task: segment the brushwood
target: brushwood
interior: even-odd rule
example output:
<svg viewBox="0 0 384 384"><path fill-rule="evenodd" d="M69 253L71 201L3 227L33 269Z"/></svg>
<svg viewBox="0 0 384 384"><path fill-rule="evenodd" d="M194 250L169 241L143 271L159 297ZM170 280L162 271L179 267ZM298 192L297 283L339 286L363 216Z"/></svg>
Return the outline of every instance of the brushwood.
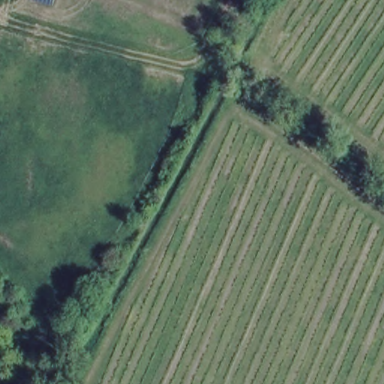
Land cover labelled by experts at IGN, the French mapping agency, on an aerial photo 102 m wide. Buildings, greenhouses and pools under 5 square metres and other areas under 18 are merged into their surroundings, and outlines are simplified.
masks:
<svg viewBox="0 0 384 384"><path fill-rule="evenodd" d="M163 204L169 187L174 183L199 130L204 126L219 96L219 85L219 82L211 82L202 103L199 120L193 120L190 115L178 126L184 132L184 139L178 139L172 145L169 156L163 163L163 169L159 172L159 187L153 192L145 193L148 205L142 210L147 214L145 219L151 222Z"/></svg>

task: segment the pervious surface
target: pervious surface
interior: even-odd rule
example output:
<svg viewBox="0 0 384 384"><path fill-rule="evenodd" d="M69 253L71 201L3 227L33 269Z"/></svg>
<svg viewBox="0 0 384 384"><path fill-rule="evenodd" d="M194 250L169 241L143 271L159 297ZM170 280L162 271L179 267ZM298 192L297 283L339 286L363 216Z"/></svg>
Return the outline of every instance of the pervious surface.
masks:
<svg viewBox="0 0 384 384"><path fill-rule="evenodd" d="M133 15L145 13L162 24L168 24L171 15L157 12L135 0L0 0L0 24L7 25L9 19L21 22L9 16L10 13L16 12L31 18L63 24L64 21L70 21L73 16L84 12L85 7L90 6L93 1L99 1L102 3L103 12L114 19L129 22Z"/></svg>
<svg viewBox="0 0 384 384"><path fill-rule="evenodd" d="M204 64L204 57L199 54L190 60L178 60L126 48L123 58L141 61L145 75L157 78L181 82L186 66L198 69Z"/></svg>

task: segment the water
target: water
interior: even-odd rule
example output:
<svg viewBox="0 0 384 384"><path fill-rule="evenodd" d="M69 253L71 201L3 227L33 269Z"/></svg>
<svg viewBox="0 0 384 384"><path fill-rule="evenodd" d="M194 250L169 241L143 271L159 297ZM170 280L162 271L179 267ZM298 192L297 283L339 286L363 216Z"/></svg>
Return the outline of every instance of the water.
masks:
<svg viewBox="0 0 384 384"><path fill-rule="evenodd" d="M61 342L55 333L18 331L22 336L28 336L33 340L55 343Z"/></svg>
<svg viewBox="0 0 384 384"><path fill-rule="evenodd" d="M138 264L142 250L147 246L157 223L162 219L226 96L228 84L219 85L219 96L204 126L199 130L174 183L169 187L163 204L151 222L112 297L111 301L117 303L120 298L130 274Z"/></svg>

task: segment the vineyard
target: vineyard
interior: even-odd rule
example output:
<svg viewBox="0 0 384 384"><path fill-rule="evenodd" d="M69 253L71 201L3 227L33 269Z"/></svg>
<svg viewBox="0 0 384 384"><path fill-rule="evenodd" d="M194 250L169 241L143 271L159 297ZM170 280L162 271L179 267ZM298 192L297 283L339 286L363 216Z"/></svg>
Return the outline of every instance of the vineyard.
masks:
<svg viewBox="0 0 384 384"><path fill-rule="evenodd" d="M294 147L289 145L285 138L277 135L274 138L265 138L264 133L258 132L255 127L244 121L235 120L231 109L225 112L219 129L214 133L214 138L208 144L204 157L187 186L186 193L169 217L144 267L139 271L138 279L133 283L117 321L112 325L108 336L103 337L105 342L102 349L82 384L384 384L384 216L373 208L373 205L361 202L349 189L348 184L337 177L336 169L331 168L330 163L327 162L327 157L322 156L313 147L307 147L303 141L298 141L298 145Z"/></svg>
<svg viewBox="0 0 384 384"><path fill-rule="evenodd" d="M294 33L291 42L286 45L286 49L292 48L292 52L283 64L282 72L288 72L295 58L303 58L306 64L295 79L313 91L318 91L313 105L318 106L324 120L333 112L337 112L337 120L345 124L351 133L360 121L360 124L366 126L364 135L375 135L384 139L384 0L298 0L301 1L300 7L297 10L294 7L289 9L285 19L285 31L277 36L277 42L280 43L283 37Z"/></svg>

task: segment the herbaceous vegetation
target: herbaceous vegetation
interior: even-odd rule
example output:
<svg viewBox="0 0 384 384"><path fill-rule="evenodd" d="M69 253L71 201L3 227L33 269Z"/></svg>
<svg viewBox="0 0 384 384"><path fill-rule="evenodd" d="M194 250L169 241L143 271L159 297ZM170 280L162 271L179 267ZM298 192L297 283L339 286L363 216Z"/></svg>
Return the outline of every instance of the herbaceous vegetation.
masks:
<svg viewBox="0 0 384 384"><path fill-rule="evenodd" d="M43 354L48 357L54 355L55 343L33 340L28 336L22 336L18 331L13 333L13 345L31 361L40 360Z"/></svg>
<svg viewBox="0 0 384 384"><path fill-rule="evenodd" d="M384 205L378 196L367 195L364 192L363 162L349 168L346 168L339 159L330 163L331 168L336 169L337 177L348 184L349 189L361 202L373 205L373 208L384 216Z"/></svg>
<svg viewBox="0 0 384 384"><path fill-rule="evenodd" d="M162 219L157 223L147 246L142 250L138 264L130 274L120 298L117 303L111 301L111 310L105 312L97 325L97 330L82 348L87 358L76 384L82 384L102 349L105 342L103 337L108 336L112 325L117 321L133 283L138 279L139 271L144 267L169 217L186 193L187 186L204 157L208 144L214 138L214 133L219 129L225 112L231 109L235 120L244 121L255 127L258 132L264 133L265 138L274 138L277 135L285 138L289 145L294 147L298 145L298 141L303 141L307 147L313 147L321 136L327 133L331 121L337 120L337 112L333 112L324 120L318 106L313 105L318 91L313 91L295 79L306 64L303 58L295 58L288 72L282 72L283 64L292 52L292 48L286 49L286 45L291 42L294 33L283 37L280 43L277 42L277 36L285 31L285 19L289 9L294 7L297 10L300 7L301 1L298 0L288 0L286 6L273 18L261 15L261 21L253 21L252 36L244 42L240 61L253 67L255 72L264 73L273 87L282 85L295 94L297 105L303 105L309 112L304 115L304 126L301 127L300 133L289 133L286 126L280 124L274 115L268 114L267 108L261 105L256 97L246 99L243 88L237 100L226 96Z"/></svg>
<svg viewBox="0 0 384 384"><path fill-rule="evenodd" d="M163 169L163 163L169 156L172 145L178 139L184 139L184 132L178 126L190 115L193 120L199 120L202 103L211 82L219 82L219 85L228 84L228 73L223 69L223 60L211 49L208 33L219 27L225 15L220 9L223 3L234 6L238 12L243 12L244 0L135 0L157 12L171 15L168 24L162 24L145 13L133 15L129 22L114 19L103 12L102 3L99 1L93 1L90 6L85 7L84 12L73 16L70 21L64 21L63 24L31 18L16 12L10 13L9 16L21 22L9 19L7 25L0 24L0 273L3 276L9 274L7 280L12 282L13 294L19 288L24 288L25 294L34 301L37 289L52 283L60 294L69 298L76 279L87 274L82 267L88 268L94 262L102 261L103 255L111 249L112 244L118 244L127 247L127 250L115 274L114 283L106 288L106 292L112 297L151 222L145 219L133 232L130 232L123 223L127 214L135 216L142 210L148 205L145 193L153 192L159 187L159 172ZM186 66L181 82L157 78L145 75L141 61L123 58L126 48L178 60L190 60L199 54L204 57L204 64L198 69Z"/></svg>
<svg viewBox="0 0 384 384"><path fill-rule="evenodd" d="M360 121L351 133L352 144L364 148L367 156L384 156L384 139L375 135L364 135L366 126L360 124Z"/></svg>

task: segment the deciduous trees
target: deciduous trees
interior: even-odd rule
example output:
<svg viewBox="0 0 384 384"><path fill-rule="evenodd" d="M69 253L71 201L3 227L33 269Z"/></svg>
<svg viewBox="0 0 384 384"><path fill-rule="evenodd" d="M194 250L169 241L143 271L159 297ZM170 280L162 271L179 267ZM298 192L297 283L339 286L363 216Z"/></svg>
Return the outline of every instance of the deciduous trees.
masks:
<svg viewBox="0 0 384 384"><path fill-rule="evenodd" d="M19 288L13 294L12 282L7 280L9 274L3 276L0 273L0 384L76 384L87 358L82 348L97 330L97 325L105 312L111 310L111 301L112 297L106 292L106 288L114 283L115 274L127 250L127 247L118 244L112 244L111 249L103 255L102 261L94 262L88 268L82 267L87 274L76 279L69 298L60 294L52 283L37 289L34 301L25 294L24 288ZM40 360L31 361L13 345L13 333L18 331L55 333L61 342L55 343L54 355L48 357L43 354Z"/></svg>
<svg viewBox="0 0 384 384"><path fill-rule="evenodd" d="M130 232L133 232L145 219L147 214L142 210L135 216L127 214L123 223Z"/></svg>
<svg viewBox="0 0 384 384"><path fill-rule="evenodd" d="M345 124L337 120L331 121L327 133L321 136L313 147L322 156L327 157L327 162L330 163L339 159L346 168L349 168L363 162L364 192L367 195L378 196L384 205L384 156L367 156L364 148L352 144L351 133Z"/></svg>
<svg viewBox="0 0 384 384"><path fill-rule="evenodd" d="M297 105L295 94L282 85L273 87L264 73L255 72L253 67L240 61L244 42L252 36L253 21L261 21L261 15L273 18L286 6L288 0L244 0L243 12L238 12L234 6L223 3L220 9L225 15L219 27L208 33L211 49L223 60L223 69L228 73L228 84L226 96L237 100L243 88L246 99L256 97L261 105L267 108L268 114L274 115L280 124L286 126L289 133L300 133L301 127L304 126L304 115L309 112L303 105Z"/></svg>

